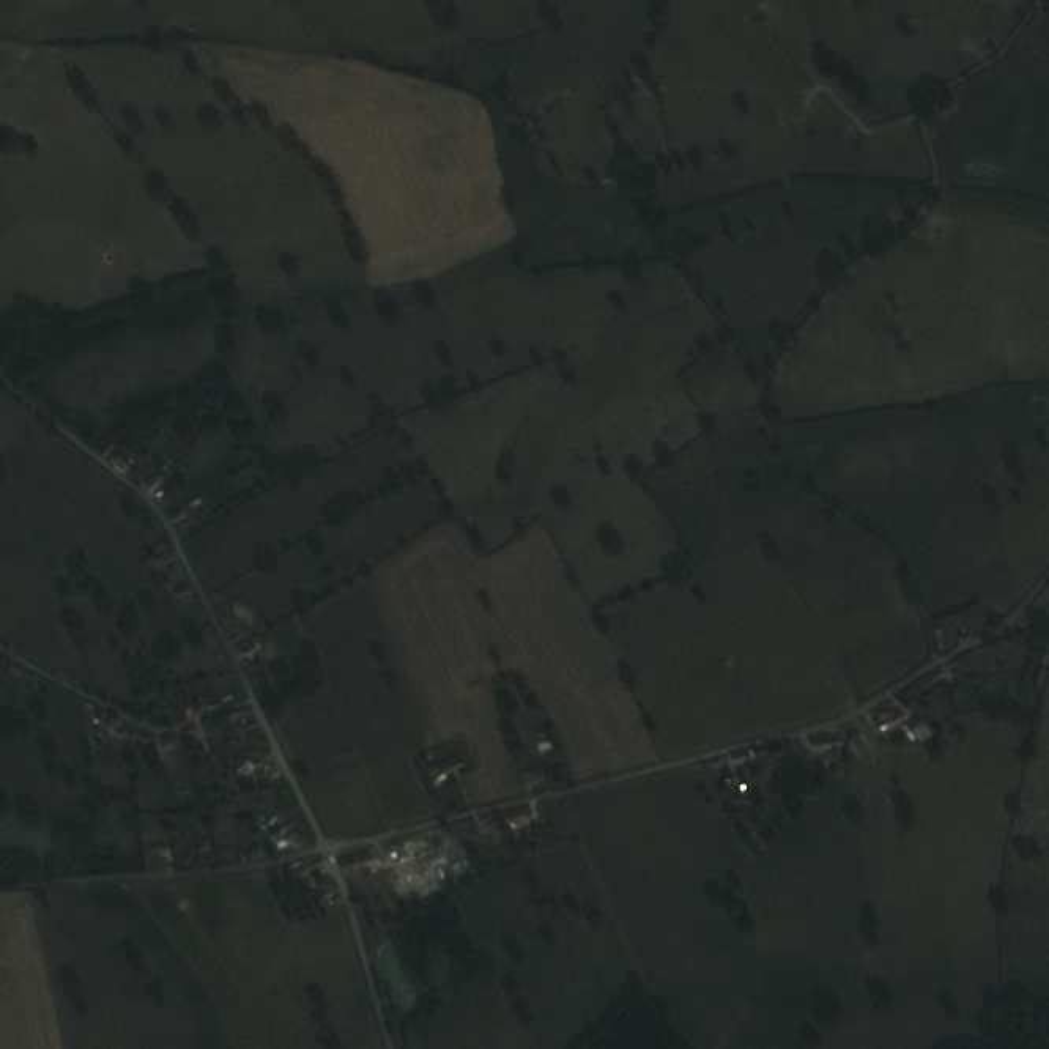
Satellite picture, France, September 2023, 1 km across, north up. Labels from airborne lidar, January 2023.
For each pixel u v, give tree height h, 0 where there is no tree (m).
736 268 0
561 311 0
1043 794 0
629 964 0
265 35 0
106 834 0
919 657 0
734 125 0
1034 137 0
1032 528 0
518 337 0
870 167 0
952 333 0
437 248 0
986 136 0
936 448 0
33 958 0
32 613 0
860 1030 0
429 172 0
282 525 0
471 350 0
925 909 0
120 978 0
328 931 0
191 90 0
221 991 0
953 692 7
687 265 14
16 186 0
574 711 0
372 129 0
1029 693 0
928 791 0
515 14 0
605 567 0
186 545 0
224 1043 0
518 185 0
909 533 0
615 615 0
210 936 0
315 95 0
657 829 0
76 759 0
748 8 0
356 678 0
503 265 0
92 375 0
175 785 0
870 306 0
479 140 0
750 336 0
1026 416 0
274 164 0
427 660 0
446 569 0
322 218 0
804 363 0
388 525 0
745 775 11
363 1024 0
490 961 14
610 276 0
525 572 0
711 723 0
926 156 0
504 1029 0
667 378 0
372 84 0
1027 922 0
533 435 0
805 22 0
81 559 13
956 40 0
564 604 0
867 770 0
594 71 0
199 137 0
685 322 0
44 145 0
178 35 10
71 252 0
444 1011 0
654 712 0
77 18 0
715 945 0
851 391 0
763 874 0
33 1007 0
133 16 0
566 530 0
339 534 0
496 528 0
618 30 0
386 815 0
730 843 0
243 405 16
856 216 0
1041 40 0
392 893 0
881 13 0
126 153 14
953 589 0
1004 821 0
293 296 0
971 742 0
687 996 0
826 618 0
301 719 0
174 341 0
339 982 0
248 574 0
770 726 0
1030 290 0
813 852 0
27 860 17
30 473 0
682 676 0
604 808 0
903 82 0
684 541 8
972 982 0
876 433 0
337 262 0
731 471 0
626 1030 18
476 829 0
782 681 0
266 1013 0
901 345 17
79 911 0
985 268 0
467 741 0
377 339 0
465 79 0
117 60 0
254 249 0
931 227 0
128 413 14
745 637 0
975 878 0
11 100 0
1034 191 0
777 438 0
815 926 0
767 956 0
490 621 0
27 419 0
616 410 0
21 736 15
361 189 0
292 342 0
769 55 0
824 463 0
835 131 0
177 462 0
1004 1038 15
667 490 0
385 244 0
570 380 13
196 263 0
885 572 0
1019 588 0
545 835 0
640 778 0
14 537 0
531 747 0
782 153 0
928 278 0
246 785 14
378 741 0
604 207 0
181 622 0
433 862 0
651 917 0
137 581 0
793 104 0
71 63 0
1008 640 10
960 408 0
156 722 8
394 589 0
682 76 0
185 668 0
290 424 0
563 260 0
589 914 14
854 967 0
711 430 16
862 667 0
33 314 24
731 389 0
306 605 17
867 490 0
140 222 0
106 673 0
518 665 0
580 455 0
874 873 0
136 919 0
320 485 0
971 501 0
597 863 0
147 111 0
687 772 0
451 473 0
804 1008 0
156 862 0
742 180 0
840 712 0
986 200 0
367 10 0
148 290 16
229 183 0
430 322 0
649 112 0
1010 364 0
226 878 0
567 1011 0
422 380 0
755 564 0
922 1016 0
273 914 0
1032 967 0
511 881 0
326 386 0
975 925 0
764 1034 0
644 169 18
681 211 0
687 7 0
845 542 0
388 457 0
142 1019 0
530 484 0
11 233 0
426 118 0
